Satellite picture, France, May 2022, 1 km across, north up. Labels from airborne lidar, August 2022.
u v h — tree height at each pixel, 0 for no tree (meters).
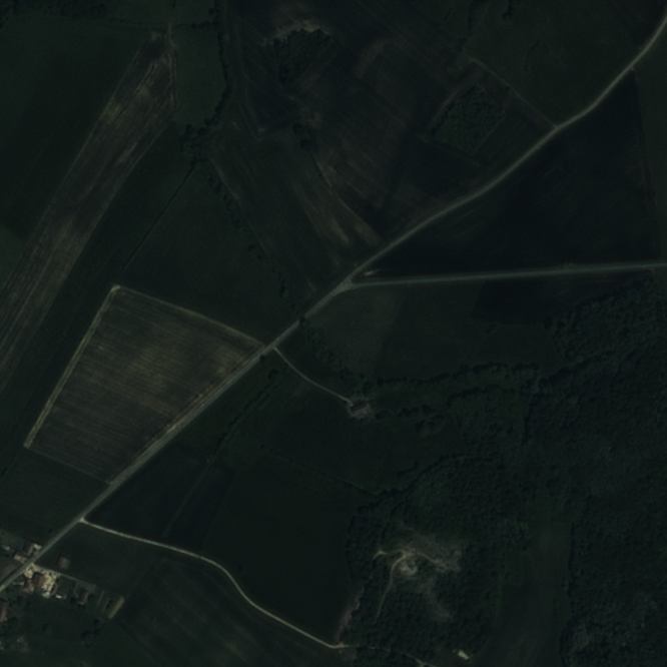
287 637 0
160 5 0
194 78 0
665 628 16
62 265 0
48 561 0
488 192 0
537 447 20
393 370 0
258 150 0
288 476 0
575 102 0
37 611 0
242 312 0
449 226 0
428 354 0
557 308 0
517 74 0
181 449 0
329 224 0
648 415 22
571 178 0
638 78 0
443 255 0
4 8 24
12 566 0
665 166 0
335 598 0
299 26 0
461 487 12
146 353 0
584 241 0
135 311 0
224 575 0
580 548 16
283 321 0
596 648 14
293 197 0
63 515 0
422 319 0
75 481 0
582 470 20
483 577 15
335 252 0
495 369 13
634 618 19
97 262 0
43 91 0
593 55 0
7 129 0
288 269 0
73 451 0
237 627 0
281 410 0
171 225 0
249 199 0
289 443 0
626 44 0
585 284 0
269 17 0
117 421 0
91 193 0
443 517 13
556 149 0
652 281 13
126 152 0
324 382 0
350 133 0
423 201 0
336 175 0
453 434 0
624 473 19
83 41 0
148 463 0
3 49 0
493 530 22
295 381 0
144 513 0
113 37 0
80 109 0
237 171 0
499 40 0
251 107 0
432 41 0
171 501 0
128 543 0
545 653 0
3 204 0
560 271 0
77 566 0
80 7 27
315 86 0
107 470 0
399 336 0
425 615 9
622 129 0
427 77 0
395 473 0
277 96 0
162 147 0
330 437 0
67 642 0
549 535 0
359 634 15
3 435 0
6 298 0
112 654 0
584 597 14
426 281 0
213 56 0
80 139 0
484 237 0
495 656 0
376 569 10
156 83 0
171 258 0
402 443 0
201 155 19
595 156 0
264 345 0
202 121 0
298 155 0
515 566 7
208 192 0
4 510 0
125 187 0
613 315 20
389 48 0
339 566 0
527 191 0
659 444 15
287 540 0
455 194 0
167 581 0
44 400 0
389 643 13
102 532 0
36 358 0
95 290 0
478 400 18
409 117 0
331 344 0
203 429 0
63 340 0
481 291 0
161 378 0
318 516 0
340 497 0
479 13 22
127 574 0
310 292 0
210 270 0
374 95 0
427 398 0
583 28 0
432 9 0
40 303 0
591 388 19
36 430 0
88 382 0
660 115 0
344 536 0
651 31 0
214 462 0
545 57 0
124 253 0
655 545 17
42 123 0
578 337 22
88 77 0
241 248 0
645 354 21
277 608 0
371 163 0
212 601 0
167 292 0
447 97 0
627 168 0
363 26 0
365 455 0
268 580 0
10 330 0
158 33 0
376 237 0
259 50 0
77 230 0
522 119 0
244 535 0
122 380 0
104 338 0
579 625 22
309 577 0
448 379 13
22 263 0
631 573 17
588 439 16
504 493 15
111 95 0
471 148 16
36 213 0
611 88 0
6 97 0
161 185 0
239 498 0
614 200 0
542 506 10
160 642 0
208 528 0
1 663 0
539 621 0
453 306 0
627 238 0
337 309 0
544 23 0
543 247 0
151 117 0
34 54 0
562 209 0
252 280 0
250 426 0
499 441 16
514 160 0
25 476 0
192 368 0
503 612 0
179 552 0
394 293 0
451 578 7
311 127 0
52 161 0
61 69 0
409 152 0
